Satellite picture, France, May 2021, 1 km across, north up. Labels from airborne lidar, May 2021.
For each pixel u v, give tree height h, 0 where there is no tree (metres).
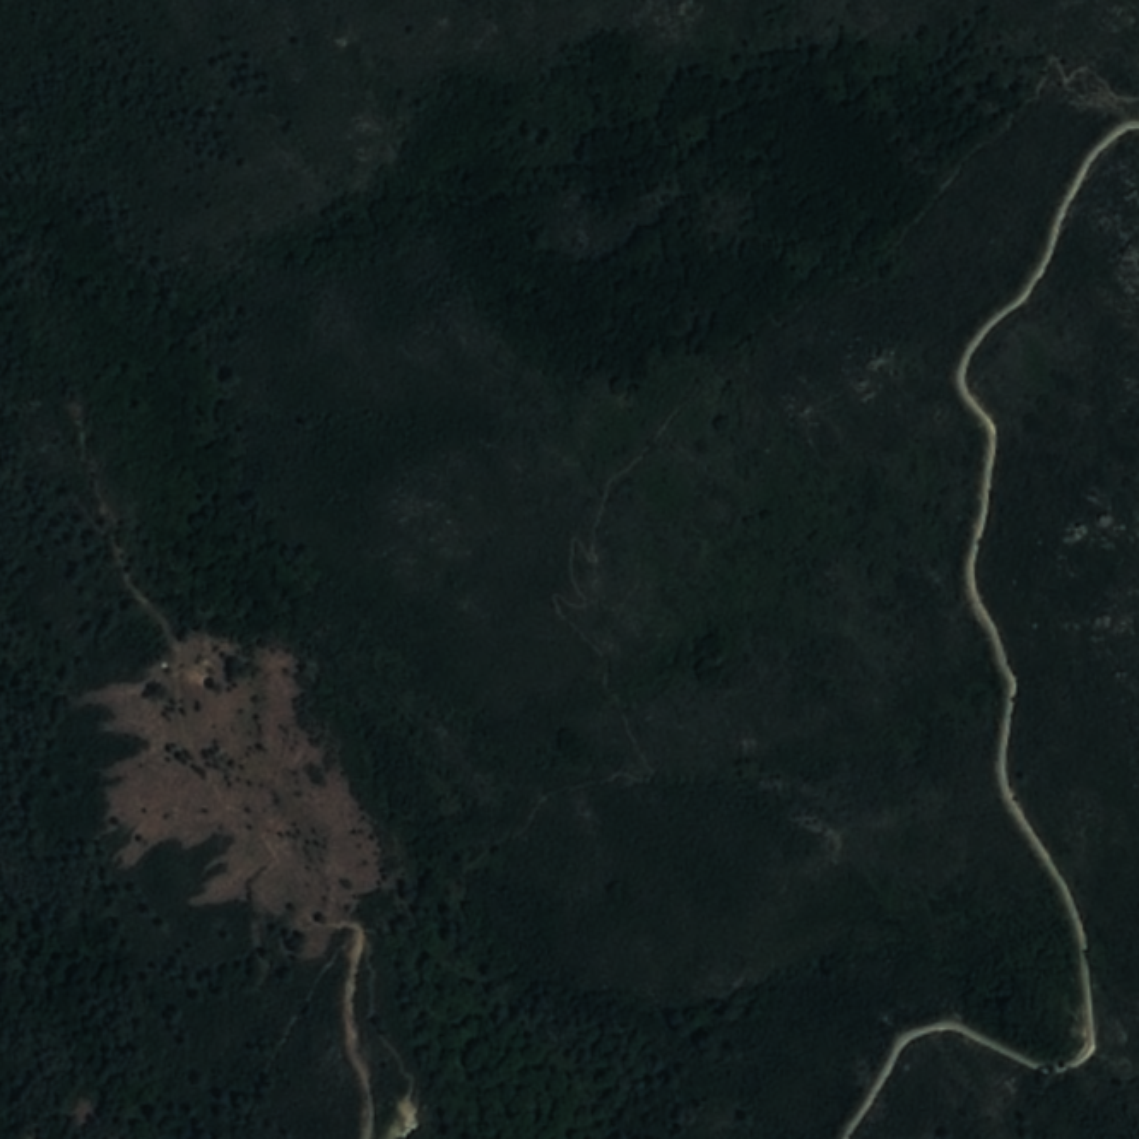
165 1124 20
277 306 6
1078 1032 0
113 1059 23
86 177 6
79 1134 17
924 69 5
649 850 5
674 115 15
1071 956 7
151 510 9
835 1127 6
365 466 5
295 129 14
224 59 13
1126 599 0
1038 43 8
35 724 16
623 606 0
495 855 10
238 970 10
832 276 11
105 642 15
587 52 16
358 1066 0
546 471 0
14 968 28
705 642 8
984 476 0
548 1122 20
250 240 9
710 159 13
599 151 21
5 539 22
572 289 19
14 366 21
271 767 0
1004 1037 10
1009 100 12
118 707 0
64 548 17
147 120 10
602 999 15
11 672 11
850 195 18
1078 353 0
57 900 21
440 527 0
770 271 13
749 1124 18
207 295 18
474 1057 22
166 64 7
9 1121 8
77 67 8
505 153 11
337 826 0
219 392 10
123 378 14
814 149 17
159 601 7
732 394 6
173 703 9
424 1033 16
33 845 23
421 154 15
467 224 19
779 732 0
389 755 6
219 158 8
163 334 19
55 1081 20
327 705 10
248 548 17
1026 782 12
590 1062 12
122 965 14
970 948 5
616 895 8
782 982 12
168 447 18
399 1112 0
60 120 16
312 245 12
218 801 0
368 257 9
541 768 6
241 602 13
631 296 14
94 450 10
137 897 18
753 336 9
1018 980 7
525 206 9
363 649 8
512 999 7
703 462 0
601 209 12
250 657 10
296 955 19
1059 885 0
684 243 12
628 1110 16
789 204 14
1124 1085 16
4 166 11
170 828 0
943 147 10
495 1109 17
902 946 6
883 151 13
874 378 0
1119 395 0
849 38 7
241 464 6
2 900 20
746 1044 8
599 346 10
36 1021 5
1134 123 0
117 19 7
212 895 0
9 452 20
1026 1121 24
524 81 7
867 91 16
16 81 6
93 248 22
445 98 9
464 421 6
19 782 20
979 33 9
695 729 0
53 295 11
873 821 0
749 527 8
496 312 13
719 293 10
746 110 16
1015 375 0
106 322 14
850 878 6
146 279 14
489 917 7
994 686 5
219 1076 8
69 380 10
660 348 9
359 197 9
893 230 10
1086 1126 7
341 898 0
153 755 0
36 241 21
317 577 9
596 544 0
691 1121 23
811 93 15
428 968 19
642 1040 16
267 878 0
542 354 11
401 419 8
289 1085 6
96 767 6
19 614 7
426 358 0
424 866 6
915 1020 6
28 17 6
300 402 6
